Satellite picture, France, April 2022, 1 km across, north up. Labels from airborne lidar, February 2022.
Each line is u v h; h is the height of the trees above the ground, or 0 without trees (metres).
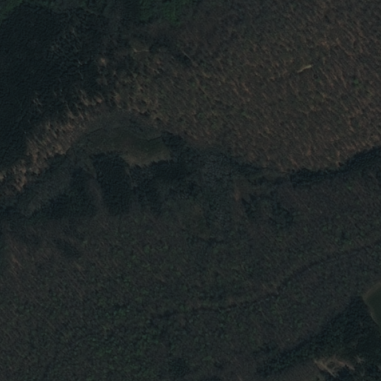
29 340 32
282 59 25
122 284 27
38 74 18
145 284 34
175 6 24
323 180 29
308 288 28
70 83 22
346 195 34
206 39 17
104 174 27
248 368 32
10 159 27
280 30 22
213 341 28
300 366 33
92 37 14
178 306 35
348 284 26
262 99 27
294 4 24
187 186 18
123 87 19
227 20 15
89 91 18
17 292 33
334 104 30
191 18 27
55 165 24
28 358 31
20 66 20
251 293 25
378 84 30
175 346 28
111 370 28
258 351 20
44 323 29
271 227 29
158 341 31
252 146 25
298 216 35
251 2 28
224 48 21
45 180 23
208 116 24
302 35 27
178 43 27
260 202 26
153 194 28
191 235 17
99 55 19
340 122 29
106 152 0
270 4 29
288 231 32
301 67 18
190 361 24
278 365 30
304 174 22
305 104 23
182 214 27
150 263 32
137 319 35
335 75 29
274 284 29
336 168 22
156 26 30
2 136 25
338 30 18
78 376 29
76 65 20
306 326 29
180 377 24
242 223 22
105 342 34
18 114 17
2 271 30
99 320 31
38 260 24
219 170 26
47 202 19
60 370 31
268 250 29
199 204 19
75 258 23
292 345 29
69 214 24
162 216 30
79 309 31
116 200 28
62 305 31
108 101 15
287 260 30
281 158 26
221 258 29
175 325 32
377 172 35
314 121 20
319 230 31
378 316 0
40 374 33
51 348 33
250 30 20
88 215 26
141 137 28
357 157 7
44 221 18
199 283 30
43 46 24
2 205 23
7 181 28
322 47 14
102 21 15
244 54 23
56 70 22
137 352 30
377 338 13
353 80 27
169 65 28
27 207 19
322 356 39
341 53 32
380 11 30
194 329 30
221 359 27
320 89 30
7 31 26
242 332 28
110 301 29
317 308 25
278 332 26
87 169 22
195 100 27
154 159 0
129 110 19
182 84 26
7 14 25
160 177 23
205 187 20
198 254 21
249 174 26
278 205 22
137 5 26
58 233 22
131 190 29
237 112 24
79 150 23
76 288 30
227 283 24
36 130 21
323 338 23
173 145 29
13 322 31
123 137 0
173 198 26
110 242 27
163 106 28
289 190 31
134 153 0
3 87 20
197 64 26
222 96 24
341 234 36
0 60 24
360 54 29
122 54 12
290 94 22
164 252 33
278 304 27
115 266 30
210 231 24
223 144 22
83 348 32
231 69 24
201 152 23
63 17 28
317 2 19
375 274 29
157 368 25
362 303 28
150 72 14
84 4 26
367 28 28
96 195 30
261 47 19
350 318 28
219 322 29
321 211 31
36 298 30
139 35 19
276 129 24
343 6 23
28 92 18
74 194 25
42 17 24
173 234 32
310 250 31
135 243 32
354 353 8
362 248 29
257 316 30
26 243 26
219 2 31
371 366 12
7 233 24
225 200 21
